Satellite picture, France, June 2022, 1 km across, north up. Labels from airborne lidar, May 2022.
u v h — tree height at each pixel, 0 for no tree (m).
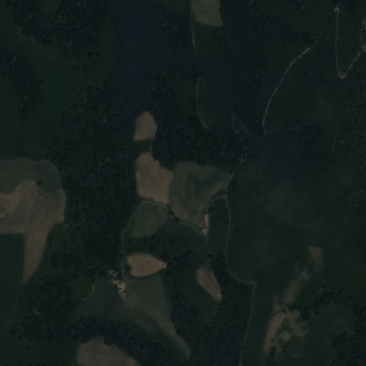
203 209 0
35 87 7
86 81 0
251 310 0
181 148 21
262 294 0
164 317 0
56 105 0
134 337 26
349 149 11
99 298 0
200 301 0
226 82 0
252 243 0
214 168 0
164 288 0
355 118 13
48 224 0
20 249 0
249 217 0
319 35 17
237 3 23
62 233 0
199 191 0
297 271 0
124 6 30
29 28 13
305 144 10
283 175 0
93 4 11
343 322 0
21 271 0
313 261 0
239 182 0
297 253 0
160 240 18
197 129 7
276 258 0
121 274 11
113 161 33
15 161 0
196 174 0
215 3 0
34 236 0
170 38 18
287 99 0
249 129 7
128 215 22
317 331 0
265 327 0
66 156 17
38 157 0
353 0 12
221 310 14
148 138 0
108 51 0
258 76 10
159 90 19
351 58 0
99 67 0
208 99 0
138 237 0
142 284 0
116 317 0
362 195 13
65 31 13
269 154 0
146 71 26
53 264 8
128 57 16
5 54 22
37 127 0
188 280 0
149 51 9
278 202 0
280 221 0
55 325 7
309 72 10
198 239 0
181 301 19
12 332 13
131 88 17
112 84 19
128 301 0
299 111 0
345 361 24
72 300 20
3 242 0
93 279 16
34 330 19
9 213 0
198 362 24
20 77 18
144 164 0
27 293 12
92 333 16
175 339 0
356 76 12
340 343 23
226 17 14
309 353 0
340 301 23
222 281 19
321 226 0
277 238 0
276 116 0
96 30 14
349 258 6
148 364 21
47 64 0
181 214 0
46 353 0
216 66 0
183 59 14
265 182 0
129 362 0
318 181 0
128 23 14
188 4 7
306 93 0
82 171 18
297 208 0
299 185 0
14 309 0
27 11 20
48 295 23
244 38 27
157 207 0
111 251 23
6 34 0
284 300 0
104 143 21
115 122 21
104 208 7
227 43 16
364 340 18
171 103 14
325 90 0
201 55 0
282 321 0
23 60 7
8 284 0
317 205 0
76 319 0
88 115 9
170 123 22
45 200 0
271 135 8
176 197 0
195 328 23
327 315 0
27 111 22
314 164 0
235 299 15
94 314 0
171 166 0
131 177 17
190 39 7
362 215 6
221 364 11
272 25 17
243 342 0
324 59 0
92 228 18
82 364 0
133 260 0
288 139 5
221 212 0
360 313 22
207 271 0
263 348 0
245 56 24
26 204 0
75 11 30
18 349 0
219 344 21
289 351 0
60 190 0
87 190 21
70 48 12
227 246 0
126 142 22
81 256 10
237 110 17
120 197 25
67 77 0
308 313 21
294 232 0
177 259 17
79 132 21
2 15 0
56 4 0
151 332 0
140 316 0
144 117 0
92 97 9
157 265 0
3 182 0
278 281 0
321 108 0
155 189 0
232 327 15
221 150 17
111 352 0
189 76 10
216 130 10
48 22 9
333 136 0
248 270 0
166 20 9
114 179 9
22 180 0
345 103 11
